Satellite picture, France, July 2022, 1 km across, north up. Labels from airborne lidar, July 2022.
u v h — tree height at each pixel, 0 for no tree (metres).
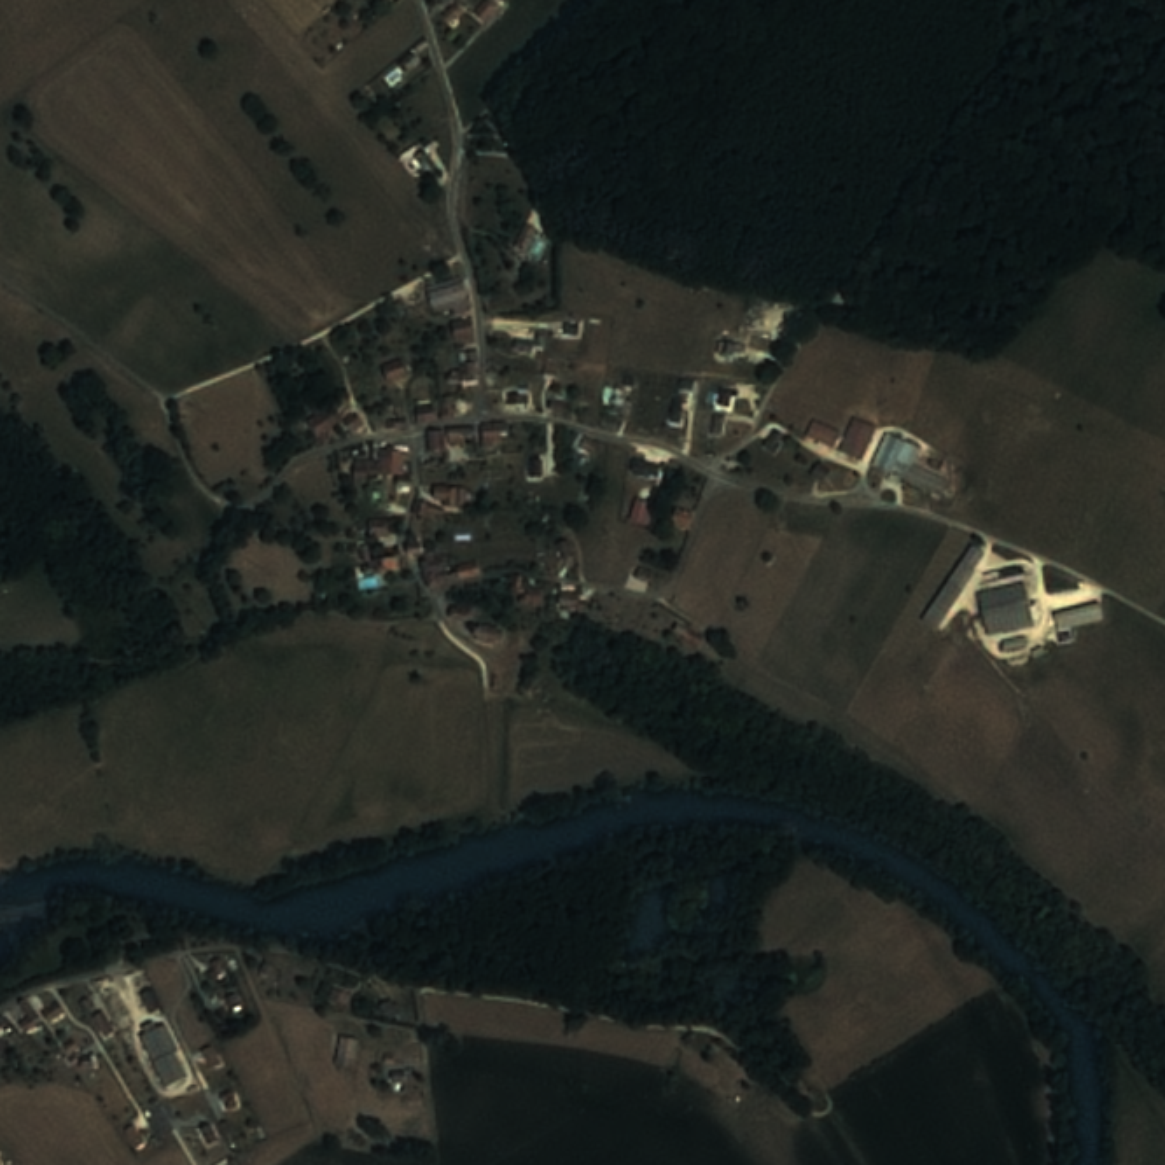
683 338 0
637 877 14
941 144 13
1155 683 0
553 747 0
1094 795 0
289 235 0
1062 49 25
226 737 0
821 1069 0
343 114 0
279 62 0
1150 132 28
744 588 0
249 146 0
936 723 0
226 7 0
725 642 15
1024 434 0
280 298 0
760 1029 17
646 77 28
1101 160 34
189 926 14
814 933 0
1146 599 0
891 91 15
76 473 19
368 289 0
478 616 0
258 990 0
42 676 20
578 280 0
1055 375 0
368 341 7
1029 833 0
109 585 29
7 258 0
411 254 0
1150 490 0
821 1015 0
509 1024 0
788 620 0
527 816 16
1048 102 12
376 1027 13
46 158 13
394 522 9
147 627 27
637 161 27
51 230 0
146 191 0
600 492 15
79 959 18
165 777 0
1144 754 0
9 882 0
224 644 15
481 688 0
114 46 0
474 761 0
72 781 0
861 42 15
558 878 22
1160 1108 0
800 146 17
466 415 0
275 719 0
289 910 0
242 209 0
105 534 22
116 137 0
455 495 0
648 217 20
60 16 0
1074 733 0
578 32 28
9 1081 6
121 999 0
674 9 30
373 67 0
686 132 29
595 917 25
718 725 19
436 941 23
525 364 0
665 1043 0
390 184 0
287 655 0
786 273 21
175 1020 0
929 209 29
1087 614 0
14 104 0
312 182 14
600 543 0
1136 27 26
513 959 19
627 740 0
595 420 0
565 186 24
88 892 22
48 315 0
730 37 31
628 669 23
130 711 0
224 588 12
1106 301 0
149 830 0
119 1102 0
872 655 0
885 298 24
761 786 16
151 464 22
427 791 0
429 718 0
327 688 0
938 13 17
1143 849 0
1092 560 0
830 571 0
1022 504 0
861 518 0
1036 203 30
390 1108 0
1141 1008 24
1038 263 26
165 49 0
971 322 23
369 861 25
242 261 0
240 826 0
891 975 0
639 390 0
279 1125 0
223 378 0
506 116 24
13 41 0
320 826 0
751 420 0
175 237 0
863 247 17
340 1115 0
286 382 19
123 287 0
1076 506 0
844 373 0
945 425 0
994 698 0
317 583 6
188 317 0
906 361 0
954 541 0
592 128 28
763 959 14
